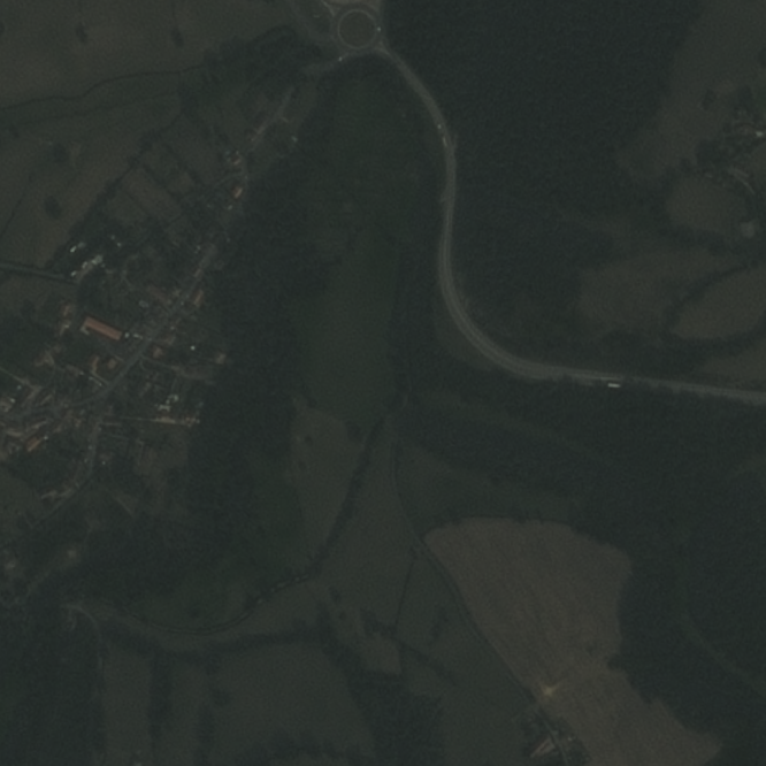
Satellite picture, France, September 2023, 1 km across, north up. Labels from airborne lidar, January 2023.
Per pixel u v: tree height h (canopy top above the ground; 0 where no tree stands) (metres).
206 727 14
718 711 27
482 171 11
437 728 6
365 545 0
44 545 0
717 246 17
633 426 25
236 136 0
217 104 0
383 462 0
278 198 24
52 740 0
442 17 9
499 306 9
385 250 0
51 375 0
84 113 0
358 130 0
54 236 0
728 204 0
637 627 22
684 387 0
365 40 0
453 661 0
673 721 0
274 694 0
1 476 0
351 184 0
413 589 0
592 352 19
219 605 0
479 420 0
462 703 0
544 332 0
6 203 0
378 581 0
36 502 0
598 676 0
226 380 19
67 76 0
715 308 0
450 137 0
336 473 0
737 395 0
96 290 19
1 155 0
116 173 0
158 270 0
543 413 19
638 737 0
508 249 18
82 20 0
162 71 0
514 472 27
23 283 0
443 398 0
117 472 21
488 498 0
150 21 0
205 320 0
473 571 0
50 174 0
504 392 19
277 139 0
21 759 26
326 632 16
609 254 9
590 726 0
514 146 22
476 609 0
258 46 7
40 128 0
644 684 6
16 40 0
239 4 0
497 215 22
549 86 27
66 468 5
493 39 21
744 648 19
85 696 0
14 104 0
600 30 25
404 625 0
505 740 0
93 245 9
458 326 0
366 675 7
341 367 0
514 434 0
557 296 13
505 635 0
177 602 0
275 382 20
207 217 6
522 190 16
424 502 0
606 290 0
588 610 0
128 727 0
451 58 6
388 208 0
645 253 0
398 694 9
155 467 0
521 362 0
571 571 0
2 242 0
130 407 12
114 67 0
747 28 0
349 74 22
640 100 21
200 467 21
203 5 0
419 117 10
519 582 0
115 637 21
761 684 0
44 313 0
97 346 0
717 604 20
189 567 19
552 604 0
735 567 18
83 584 8
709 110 0
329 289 0
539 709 0
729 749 0
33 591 0
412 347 23
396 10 16
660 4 23
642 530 29
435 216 16
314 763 0
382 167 0
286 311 13
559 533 0
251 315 8
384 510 0
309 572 11
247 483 16
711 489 21
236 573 0
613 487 32
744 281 0
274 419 24
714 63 0
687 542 0
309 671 0
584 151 23
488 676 0
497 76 22
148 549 13
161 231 11
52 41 0
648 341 0
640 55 21
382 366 0
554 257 23
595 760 0
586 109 22
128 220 0
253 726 0
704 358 14
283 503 0
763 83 0
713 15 0
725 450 18
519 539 0
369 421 0
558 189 23
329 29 0
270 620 0
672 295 0
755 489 23
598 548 0
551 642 0
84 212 0
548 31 24
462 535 0
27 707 11
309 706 0
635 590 22
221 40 0
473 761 0
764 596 20
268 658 0
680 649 21
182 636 0
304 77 9
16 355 0
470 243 9
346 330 0
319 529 0
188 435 0
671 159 0
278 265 8
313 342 0
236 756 0
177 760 0
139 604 0
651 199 12
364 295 0
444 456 18
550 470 30
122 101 0
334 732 0
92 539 0
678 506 17
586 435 18
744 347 12
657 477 20
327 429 0
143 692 0
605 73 24
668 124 0
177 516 0
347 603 0
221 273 11
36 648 16
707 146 14
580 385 9
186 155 0
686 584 0
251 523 23
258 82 7
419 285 20
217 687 0
